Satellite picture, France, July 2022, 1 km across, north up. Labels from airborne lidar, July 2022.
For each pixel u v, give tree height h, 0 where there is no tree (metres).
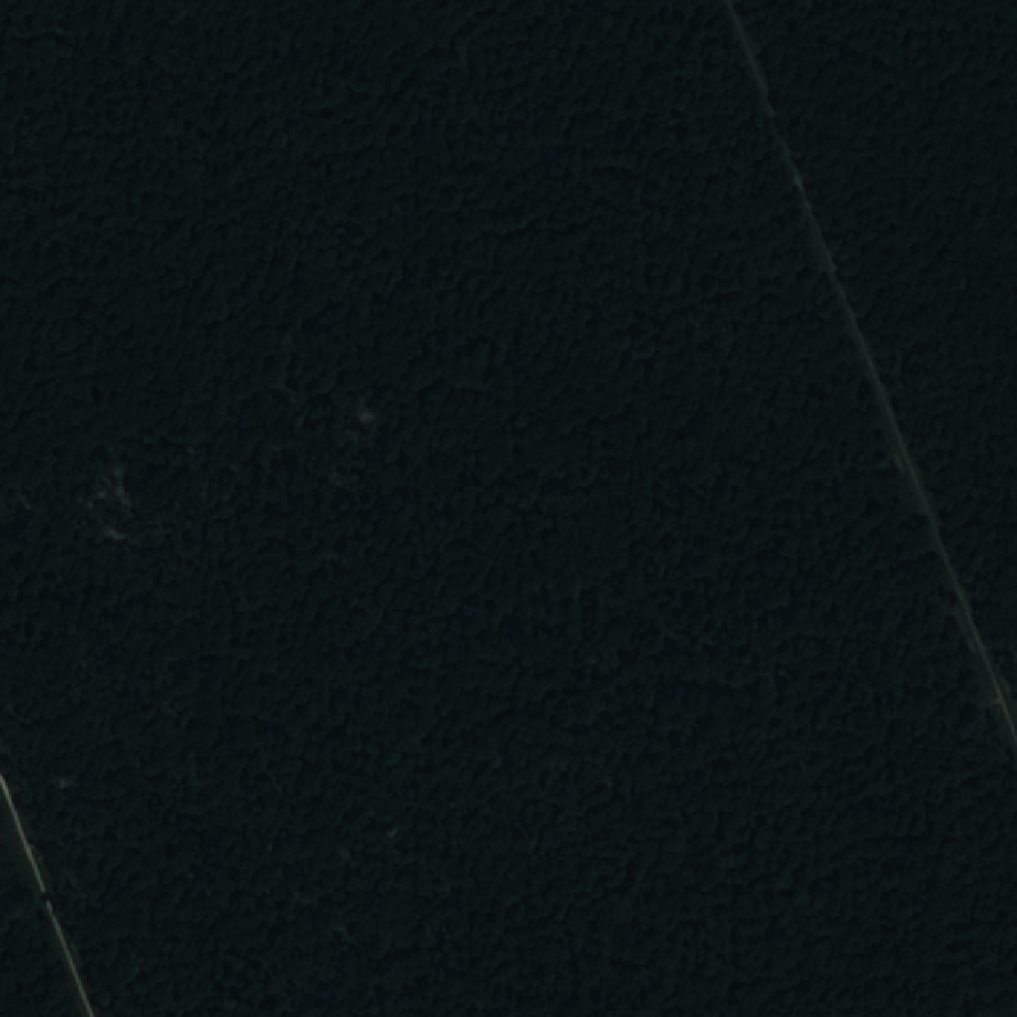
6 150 28
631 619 24
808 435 24
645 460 29
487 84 11
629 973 29
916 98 24
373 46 28
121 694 22
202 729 27
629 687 26
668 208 28
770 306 27
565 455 31
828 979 22
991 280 20
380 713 25
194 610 22
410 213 25
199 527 24
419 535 28
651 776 30
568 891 25
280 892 25
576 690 24
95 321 22
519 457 27
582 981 30
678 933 26
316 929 27
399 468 28
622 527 28
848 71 17
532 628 28
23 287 22
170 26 24
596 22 29
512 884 22
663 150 23
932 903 31
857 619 26
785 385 29
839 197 26
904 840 25
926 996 22
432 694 24
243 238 22
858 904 29
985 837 20
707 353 28
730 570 21
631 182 24
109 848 29
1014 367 17
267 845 27
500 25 22
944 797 24
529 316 27
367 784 26
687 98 25
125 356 20
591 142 26
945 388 24
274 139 24
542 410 27
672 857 28
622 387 28
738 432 25
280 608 26
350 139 27
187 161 33
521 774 24
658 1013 19
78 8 27
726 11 14
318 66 28
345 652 27
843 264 25
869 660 29
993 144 21
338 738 28
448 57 28
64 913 22
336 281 27
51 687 24
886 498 19
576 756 26
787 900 28
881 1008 29
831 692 27
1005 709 0
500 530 30
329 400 23
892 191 27
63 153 28
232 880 19
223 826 24
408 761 28
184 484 24
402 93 29
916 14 25
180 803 12
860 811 30
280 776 24
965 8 18
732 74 28
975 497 19
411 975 14
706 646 27
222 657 22
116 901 27
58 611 26
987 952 26
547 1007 21
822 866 22
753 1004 25
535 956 20
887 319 24
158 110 29
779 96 20
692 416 9
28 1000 31
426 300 24
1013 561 24
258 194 25
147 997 26
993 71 23
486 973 19
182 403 20
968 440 17
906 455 0
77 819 27
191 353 27
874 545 22
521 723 23
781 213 14
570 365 30
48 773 22
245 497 27
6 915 24
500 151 27
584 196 27
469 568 23
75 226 18
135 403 25
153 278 23
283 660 25
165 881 28
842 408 29
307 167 28
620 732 27
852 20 24
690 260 28
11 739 22
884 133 26
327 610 30
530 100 25
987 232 23
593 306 14
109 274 25
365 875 23
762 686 31
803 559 22
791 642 26
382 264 23
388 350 26
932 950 27
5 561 28
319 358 28
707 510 22
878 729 26
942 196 21
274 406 26
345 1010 19
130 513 23
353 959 29
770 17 22
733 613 18
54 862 22
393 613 26
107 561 26
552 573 28
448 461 25
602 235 22
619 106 20
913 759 29
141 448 28
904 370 18
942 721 16
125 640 24
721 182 22
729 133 20
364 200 28
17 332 20
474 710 26
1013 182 24
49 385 26
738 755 27
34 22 27
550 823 26
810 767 26
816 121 22
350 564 24
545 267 20
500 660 28
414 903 26
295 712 28
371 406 30
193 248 25
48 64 24
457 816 29
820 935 26
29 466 22
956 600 16
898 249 26
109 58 27
